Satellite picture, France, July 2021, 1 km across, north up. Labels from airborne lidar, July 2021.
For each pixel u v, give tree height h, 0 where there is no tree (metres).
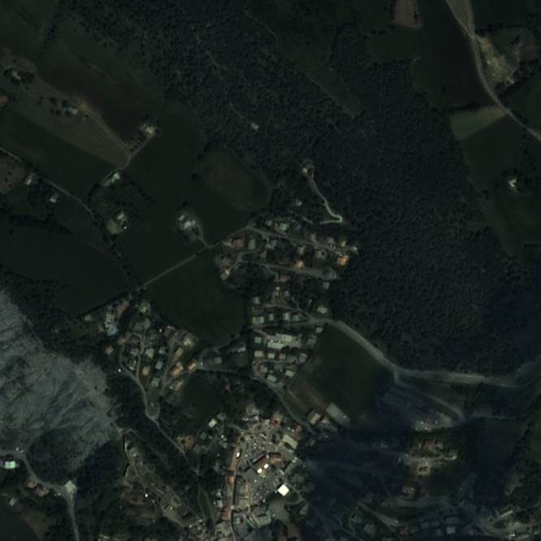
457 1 0
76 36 0
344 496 6
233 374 13
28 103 0
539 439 0
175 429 6
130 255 0
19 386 0
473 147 0
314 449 17
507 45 0
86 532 9
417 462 0
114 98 0
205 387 0
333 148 16
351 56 15
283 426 12
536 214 0
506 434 0
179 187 0
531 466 12
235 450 0
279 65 11
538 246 10
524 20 0
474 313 8
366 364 0
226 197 0
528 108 0
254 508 0
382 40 0
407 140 14
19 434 0
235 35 10
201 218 0
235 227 0
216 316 0
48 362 0
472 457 11
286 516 0
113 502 8
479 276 11
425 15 0
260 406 15
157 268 0
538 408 9
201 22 10
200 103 7
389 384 0
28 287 11
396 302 8
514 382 0
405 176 12
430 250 6
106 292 0
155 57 9
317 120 9
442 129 20
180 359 0
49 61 0
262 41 11
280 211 11
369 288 14
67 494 0
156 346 9
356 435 16
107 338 7
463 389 12
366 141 13
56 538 7
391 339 9
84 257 0
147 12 14
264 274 9
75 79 0
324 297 7
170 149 0
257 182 0
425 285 11
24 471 10
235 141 9
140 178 0
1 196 6
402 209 7
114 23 10
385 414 0
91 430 0
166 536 8
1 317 0
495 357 12
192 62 11
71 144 0
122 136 0
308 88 14
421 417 0
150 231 0
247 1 15
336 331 0
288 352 12
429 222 8
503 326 8
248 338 9
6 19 0
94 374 0
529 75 17
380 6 0
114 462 14
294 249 8
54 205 12
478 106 16
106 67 0
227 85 7
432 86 0
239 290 8
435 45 0
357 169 9
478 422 16
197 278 0
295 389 0
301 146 9
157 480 0
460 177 16
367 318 14
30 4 0
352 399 0
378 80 13
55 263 0
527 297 0
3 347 0
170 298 0
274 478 0
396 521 0
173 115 0
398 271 11
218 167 0
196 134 0
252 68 12
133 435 8
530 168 0
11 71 10
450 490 0
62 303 0
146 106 0
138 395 8
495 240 8
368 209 8
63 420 0
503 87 10
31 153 0
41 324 14
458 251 9
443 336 12
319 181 19
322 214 8
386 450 0
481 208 8
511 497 8
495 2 0
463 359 9
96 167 0
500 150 0
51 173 0
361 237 13
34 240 0
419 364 11
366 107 9
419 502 0
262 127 13
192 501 6
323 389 0
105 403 0
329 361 0
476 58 0
